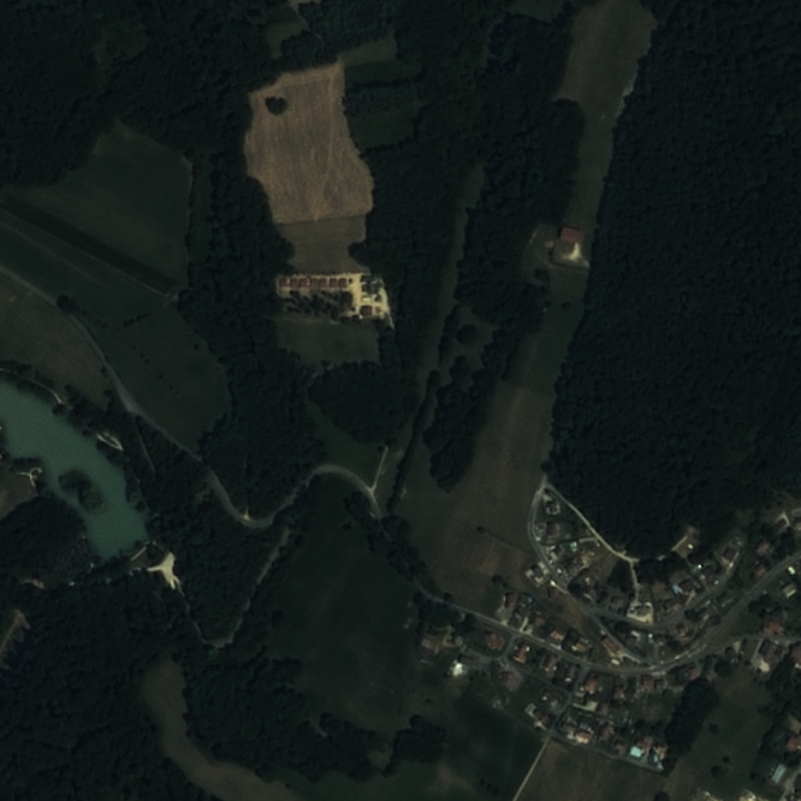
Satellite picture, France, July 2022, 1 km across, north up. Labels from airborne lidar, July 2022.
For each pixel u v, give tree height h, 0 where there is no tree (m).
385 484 0
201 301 24
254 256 23
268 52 9
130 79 16
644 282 17
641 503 19
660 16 18
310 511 23
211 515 23
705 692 27
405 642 0
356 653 0
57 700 32
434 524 0
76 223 0
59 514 19
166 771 22
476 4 9
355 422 21
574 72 0
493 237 22
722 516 18
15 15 9
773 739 10
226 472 20
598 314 20
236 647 16
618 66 0
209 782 0
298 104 0
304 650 0
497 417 0
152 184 0
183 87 21
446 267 16
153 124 27
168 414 0
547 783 0
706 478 17
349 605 0
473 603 0
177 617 19
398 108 22
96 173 0
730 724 0
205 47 31
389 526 20
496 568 0
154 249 0
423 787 0
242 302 26
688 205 20
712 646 0
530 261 0
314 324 0
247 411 20
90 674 28
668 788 0
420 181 21
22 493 0
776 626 0
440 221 25
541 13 0
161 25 28
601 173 0
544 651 6
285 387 16
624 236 22
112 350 0
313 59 17
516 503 0
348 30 22
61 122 15
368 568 0
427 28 23
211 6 30
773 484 18
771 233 24
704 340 19
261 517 20
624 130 17
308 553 0
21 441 0
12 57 19
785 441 31
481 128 17
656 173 18
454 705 0
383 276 9
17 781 38
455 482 7
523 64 21
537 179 23
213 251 15
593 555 0
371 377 21
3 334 0
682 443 20
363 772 23
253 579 16
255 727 16
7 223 0
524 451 0
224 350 24
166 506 11
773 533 16
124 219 0
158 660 20
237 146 18
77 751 30
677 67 22
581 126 20
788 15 27
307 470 19
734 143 28
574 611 0
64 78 13
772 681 8
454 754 0
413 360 26
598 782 0
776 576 0
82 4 6
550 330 0
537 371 0
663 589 0
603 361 19
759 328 28
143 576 22
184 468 22
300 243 0
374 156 17
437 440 26
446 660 0
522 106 18
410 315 30
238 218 12
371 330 0
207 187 0
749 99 26
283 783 0
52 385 7
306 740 23
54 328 0
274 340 20
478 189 0
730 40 28
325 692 0
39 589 21
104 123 24
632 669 0
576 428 24
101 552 0
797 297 27
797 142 28
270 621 22
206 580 18
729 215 20
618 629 10
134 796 31
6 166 28
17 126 34
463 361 15
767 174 19
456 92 23
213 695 25
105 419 15
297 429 28
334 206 0
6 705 34
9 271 0
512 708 0
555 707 0
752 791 0
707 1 27
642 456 19
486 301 20
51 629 26
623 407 18
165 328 0
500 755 0
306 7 14
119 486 0
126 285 0
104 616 29
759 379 28
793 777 0
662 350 19
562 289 0
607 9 0
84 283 0
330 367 21
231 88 20
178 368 0
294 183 0
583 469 24
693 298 22
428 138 21
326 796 0
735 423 13
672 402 19
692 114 18
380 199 21
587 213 0
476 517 0
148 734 26
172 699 0
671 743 15
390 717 0
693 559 11
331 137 0
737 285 25
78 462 0
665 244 17
